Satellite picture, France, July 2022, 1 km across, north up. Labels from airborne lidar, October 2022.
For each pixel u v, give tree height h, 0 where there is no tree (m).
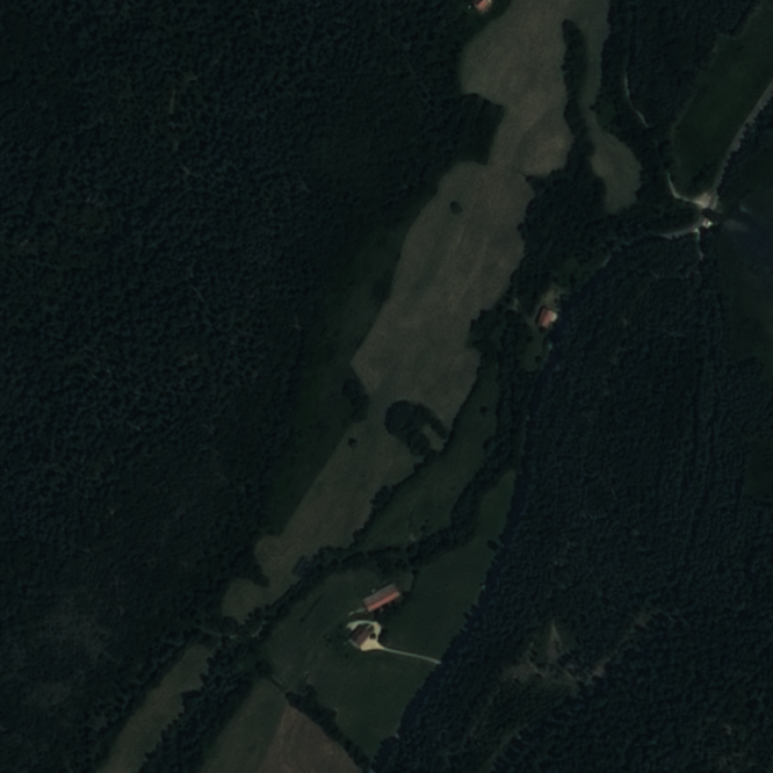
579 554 21
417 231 0
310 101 13
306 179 22
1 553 16
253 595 0
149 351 23
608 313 29
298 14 15
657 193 14
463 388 0
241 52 14
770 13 0
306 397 0
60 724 10
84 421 12
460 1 22
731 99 0
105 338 19
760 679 21
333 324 0
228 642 16
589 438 15
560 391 21
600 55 0
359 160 14
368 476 0
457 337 0
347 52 14
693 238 11
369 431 0
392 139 16
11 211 30
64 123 11
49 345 29
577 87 15
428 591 0
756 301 0
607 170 0
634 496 24
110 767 0
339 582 0
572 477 25
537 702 11
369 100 18
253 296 27
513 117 0
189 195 27
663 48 14
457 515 13
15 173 15
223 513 20
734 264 0
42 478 26
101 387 23
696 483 26
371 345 0
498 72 0
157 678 18
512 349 19
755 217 0
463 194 0
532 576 20
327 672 0
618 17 19
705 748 17
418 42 28
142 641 17
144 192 28
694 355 30
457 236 0
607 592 28
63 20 11
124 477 12
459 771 18
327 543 0
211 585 20
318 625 0
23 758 10
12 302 8
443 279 0
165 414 30
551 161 0
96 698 15
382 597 0
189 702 27
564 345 29
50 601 12
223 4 9
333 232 14
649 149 16
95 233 9
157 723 0
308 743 0
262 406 18
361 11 22
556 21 0
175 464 11
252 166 30
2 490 25
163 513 13
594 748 17
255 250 30
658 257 17
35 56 17
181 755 29
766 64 0
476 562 0
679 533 23
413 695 0
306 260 19
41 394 25
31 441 29
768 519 27
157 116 6
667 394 21
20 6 11
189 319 26
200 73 18
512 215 0
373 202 29
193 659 0
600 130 0
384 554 14
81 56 6
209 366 6
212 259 17
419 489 0
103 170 35
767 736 16
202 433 19
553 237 17
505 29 0
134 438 20
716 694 24
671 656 32
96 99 18
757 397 22
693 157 0
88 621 9
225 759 0
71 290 18
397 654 0
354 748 11
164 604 16
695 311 18
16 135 15
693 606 34
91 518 15
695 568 34
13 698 9
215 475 10
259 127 19
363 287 0
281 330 12
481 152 8
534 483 30
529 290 10
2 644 12
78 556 14
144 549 15
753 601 25
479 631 32
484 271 0
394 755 34
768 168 0
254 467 12
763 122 20
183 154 17
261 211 13
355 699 0
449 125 28
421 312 0
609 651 32
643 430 15
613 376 17
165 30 18
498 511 0
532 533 29
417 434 21
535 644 7
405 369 0
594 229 12
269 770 0
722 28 24
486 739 11
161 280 24
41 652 11
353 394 20
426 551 19
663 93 15
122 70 12
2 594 23
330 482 0
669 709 14
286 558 0
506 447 24
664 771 9
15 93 15
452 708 30
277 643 0
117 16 34
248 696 19
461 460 0
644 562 32
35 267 10
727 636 29
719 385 26
